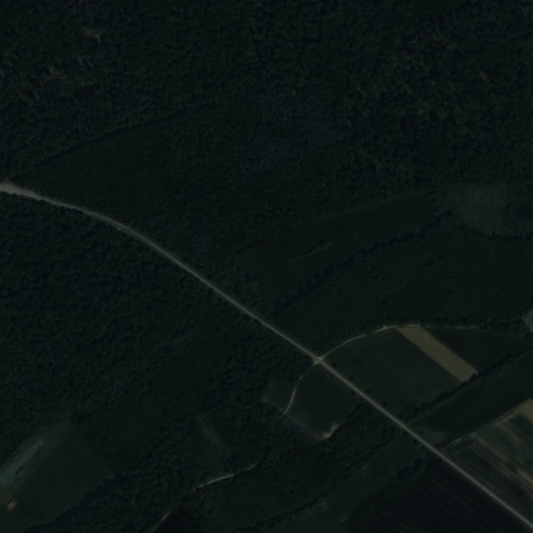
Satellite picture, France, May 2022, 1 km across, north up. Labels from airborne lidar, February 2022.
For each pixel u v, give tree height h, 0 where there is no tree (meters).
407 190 21
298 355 20
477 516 0
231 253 18
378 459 0
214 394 24
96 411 16
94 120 28
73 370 30
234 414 24
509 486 0
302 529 0
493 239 13
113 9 23
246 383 26
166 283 27
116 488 30
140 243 12
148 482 30
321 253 0
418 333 0
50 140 27
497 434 0
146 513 31
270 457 20
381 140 30
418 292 15
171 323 23
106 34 30
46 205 16
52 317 30
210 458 0
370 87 30
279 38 31
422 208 0
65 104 27
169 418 15
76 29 12
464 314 12
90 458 0
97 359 29
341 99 25
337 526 0
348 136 21
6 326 27
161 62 28
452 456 0
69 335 25
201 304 25
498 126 26
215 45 31
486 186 0
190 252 28
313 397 0
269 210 22
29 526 0
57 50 8
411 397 0
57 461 0
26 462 0
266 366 25
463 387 9
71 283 29
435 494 0
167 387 15
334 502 0
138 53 31
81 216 18
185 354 17
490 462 0
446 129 31
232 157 20
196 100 28
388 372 0
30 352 33
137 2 33
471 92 31
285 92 24
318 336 13
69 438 0
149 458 26
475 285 15
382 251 12
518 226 19
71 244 28
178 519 0
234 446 22
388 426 7
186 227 22
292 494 11
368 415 8
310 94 20
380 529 0
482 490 0
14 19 10
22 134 23
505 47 28
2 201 18
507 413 0
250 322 17
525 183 17
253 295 18
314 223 0
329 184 24
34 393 32
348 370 0
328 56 30
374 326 15
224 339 18
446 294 16
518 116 23
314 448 7
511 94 24
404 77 31
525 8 22
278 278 0
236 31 25
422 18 29
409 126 30
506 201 0
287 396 0
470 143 29
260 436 27
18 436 23
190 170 19
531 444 0
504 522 0
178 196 18
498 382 0
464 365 0
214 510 6
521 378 0
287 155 19
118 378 18
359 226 0
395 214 0
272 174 26
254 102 21
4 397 26
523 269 15
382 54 32
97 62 29
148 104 27
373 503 0
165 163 21
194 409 13
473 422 0
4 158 26
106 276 26
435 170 27
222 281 20
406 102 32
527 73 25
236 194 22
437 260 13
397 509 0
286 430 19
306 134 24
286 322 13
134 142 18
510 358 14
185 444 7
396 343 0
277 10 35
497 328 18
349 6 28
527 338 15
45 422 21
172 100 28
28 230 30
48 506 0
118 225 0
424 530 0
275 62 30
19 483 0
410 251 14
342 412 0
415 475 13
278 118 23
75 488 0
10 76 27
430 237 19
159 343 15
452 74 30
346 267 16
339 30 28
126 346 26
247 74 28
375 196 23
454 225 18
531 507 0
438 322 20
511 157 25
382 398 0
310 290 20
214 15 30
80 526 29
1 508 0
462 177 23
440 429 0
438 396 0
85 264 29
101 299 30
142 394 12
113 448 12
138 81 27
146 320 25
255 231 21
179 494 27
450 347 0
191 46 28
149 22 32
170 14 32
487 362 0
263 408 22
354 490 0
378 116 29
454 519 0
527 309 14
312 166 26
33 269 24
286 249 0
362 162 29
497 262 15
